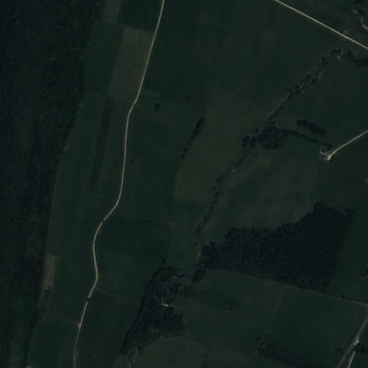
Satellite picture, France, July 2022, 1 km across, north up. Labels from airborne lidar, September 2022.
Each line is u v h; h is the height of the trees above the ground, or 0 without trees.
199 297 0
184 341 0
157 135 0
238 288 0
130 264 0
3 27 30
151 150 0
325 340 0
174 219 0
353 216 20
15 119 6
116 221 0
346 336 0
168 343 0
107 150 0
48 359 0
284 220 0
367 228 0
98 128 0
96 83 0
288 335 0
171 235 0
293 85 0
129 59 0
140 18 0
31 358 0
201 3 0
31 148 6
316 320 0
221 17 0
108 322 0
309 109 0
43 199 12
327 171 0
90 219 0
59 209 0
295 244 24
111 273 0
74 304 0
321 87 0
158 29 0
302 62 0
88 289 0
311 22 0
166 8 0
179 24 0
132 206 0
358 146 0
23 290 11
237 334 0
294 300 0
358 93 0
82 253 0
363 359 0
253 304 0
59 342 0
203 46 0
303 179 0
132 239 0
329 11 0
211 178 0
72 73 22
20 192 9
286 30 0
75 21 21
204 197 0
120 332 0
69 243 0
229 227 0
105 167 0
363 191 0
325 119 0
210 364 0
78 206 0
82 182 0
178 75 0
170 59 0
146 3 0
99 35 0
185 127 0
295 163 0
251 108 0
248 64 0
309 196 0
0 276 12
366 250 0
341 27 0
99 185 0
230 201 0
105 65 0
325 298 0
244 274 8
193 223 0
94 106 0
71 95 16
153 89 0
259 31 0
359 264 0
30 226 10
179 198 0
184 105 0
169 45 0
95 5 24
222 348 0
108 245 0
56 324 0
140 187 0
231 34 0
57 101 13
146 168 0
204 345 0
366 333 0
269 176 0
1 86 15
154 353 0
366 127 0
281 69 0
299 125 19
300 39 0
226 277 0
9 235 7
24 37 9
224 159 0
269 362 0
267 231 15
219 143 0
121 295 0
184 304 0
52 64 13
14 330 8
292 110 0
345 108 0
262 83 0
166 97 0
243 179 0
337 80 0
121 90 0
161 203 0
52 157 14
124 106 0
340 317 0
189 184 0
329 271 23
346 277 0
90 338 0
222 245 11
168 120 0
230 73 0
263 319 0
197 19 0
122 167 0
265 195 0
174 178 0
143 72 0
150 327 7
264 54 0
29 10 17
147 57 0
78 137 0
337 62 0
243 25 0
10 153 13
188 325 0
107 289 0
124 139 0
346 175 0
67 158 0
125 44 0
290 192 0
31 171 15
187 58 0
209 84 0
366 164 0
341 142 0
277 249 20
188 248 0
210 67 0
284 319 0
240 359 0
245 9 0
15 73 15
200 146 0
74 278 0
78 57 19
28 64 6
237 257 7
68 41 18
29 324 9
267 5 0
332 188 0
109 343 0
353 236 0
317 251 22
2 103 17
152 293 21
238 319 0
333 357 0
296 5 0
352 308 0
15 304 11
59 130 10
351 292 0
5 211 11
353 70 0
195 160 0
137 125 0
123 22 0
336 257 20
